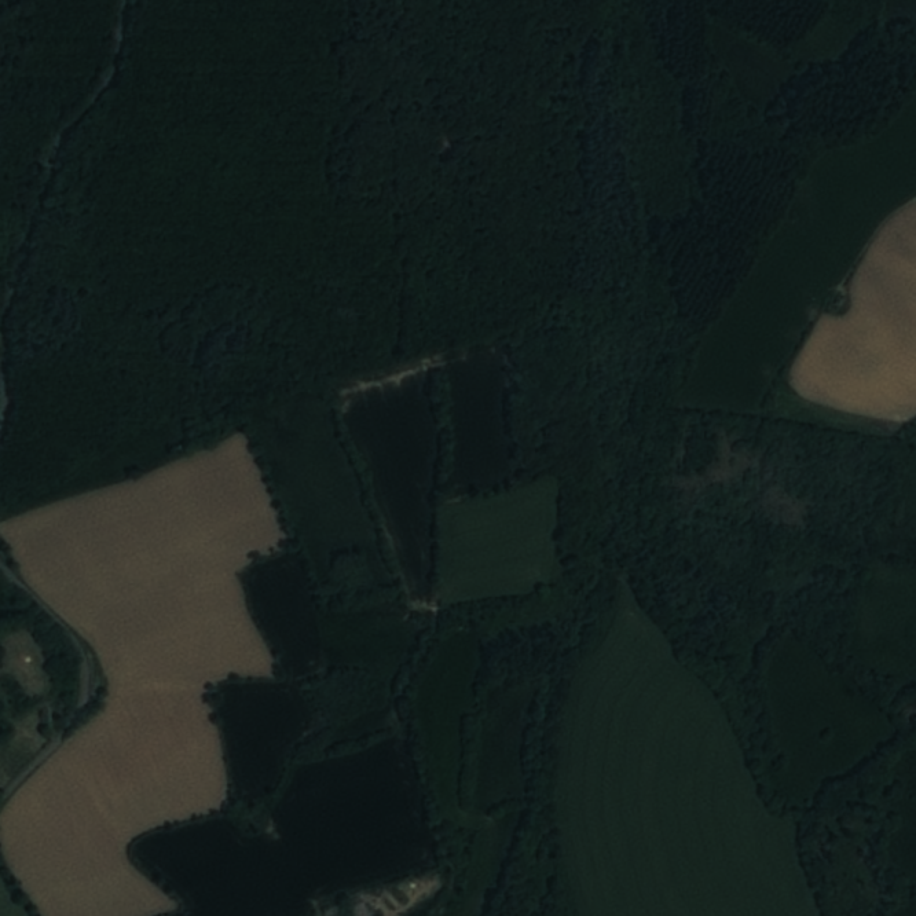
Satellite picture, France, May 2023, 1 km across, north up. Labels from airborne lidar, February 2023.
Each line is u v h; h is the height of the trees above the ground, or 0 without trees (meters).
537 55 25
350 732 0
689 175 15
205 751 0
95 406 17
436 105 25
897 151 0
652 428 13
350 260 10
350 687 11
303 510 0
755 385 0
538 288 19
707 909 0
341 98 13
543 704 16
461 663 0
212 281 13
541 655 30
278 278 13
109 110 12
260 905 0
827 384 0
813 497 7
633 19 11
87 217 19
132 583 0
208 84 11
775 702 0
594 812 0
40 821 0
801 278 0
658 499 12
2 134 16
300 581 0
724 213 34
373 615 0
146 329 13
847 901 0
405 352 15
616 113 13
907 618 0
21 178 16
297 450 0
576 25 23
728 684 9
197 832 0
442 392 15
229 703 0
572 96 24
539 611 0
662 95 10
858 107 29
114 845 0
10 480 18
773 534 10
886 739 0
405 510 0
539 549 0
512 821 0
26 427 15
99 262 10
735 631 9
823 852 16
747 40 8
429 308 19
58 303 24
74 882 0
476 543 0
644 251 18
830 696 0
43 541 0
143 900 0
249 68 11
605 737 0
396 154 27
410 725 13
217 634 0
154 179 12
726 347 0
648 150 11
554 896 19
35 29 16
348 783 0
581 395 20
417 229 18
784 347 0
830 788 17
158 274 14
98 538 0
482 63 21
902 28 19
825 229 0
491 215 19
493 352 0
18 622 17
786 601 10
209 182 14
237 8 17
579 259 22
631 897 0
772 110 16
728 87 15
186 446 15
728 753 0
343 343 16
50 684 7
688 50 36
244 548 0
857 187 0
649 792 0
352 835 0
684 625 6
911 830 0
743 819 0
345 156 22
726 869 0
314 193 12
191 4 16
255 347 13
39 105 14
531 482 16
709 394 0
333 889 0
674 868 0
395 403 0
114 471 0
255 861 0
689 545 10
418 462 0
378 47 26
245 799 0
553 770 13
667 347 16
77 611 0
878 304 0
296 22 14
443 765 0
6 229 18
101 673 0
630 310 12
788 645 0
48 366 16
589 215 28
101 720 0
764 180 34
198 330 21
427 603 0
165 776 0
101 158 10
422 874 6
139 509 0
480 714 8
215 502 0
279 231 13
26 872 0
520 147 20
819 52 0
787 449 6
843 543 10
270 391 17
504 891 17
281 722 0
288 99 12
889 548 0
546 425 13
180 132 13
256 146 13
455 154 20
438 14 19
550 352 20
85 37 15
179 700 0
